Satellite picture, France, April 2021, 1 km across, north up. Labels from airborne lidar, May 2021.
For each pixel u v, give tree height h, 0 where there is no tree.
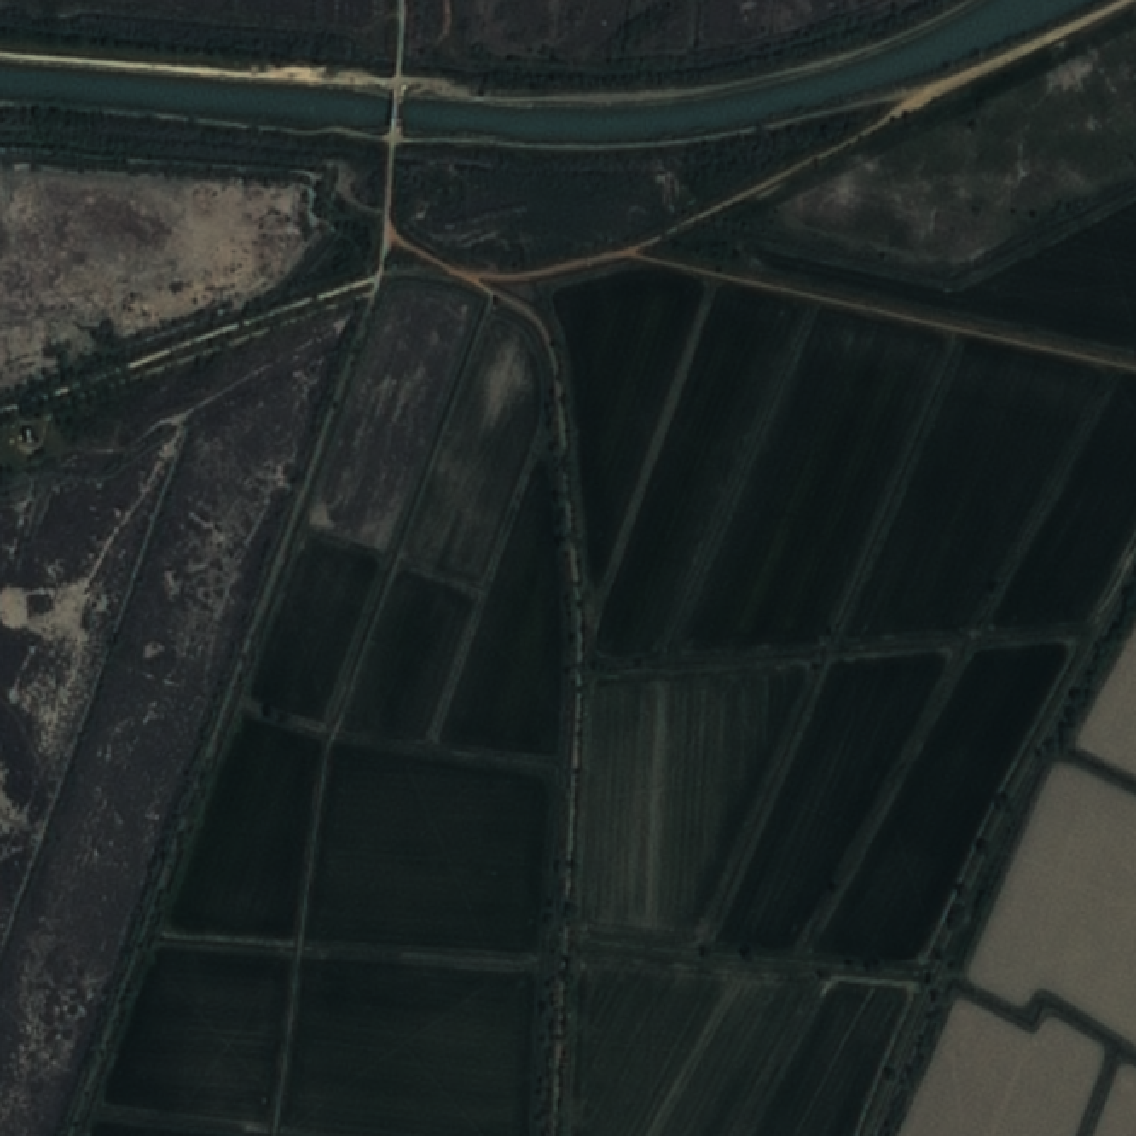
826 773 0
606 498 0
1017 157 0
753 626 0
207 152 7
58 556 0
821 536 0
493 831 0
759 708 0
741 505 0
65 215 0
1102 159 0
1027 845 0
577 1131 0
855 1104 0
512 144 0
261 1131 0
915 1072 12
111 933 0
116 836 0
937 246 0
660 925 0
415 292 0
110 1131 0
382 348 0
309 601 0
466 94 0
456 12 0
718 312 0
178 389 0
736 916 0
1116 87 0
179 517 0
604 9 0
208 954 0
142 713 0
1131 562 0
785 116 0
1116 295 0
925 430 0
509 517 0
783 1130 0
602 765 0
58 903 0
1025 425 0
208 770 6
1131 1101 0
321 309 7
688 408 0
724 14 0
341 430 0
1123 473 0
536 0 0
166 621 0
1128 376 0
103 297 0
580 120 0
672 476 0
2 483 8
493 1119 0
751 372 0
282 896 0
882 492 0
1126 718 0
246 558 0
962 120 0
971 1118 0
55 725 0
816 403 0
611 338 0
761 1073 0
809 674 0
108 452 0
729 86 0
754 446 0
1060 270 0
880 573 0
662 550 0
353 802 0
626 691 0
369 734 0
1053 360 0
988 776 0
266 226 0
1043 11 0
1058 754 9
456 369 0
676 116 0
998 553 0
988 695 0
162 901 7
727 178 7
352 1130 0
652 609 0
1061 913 0
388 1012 0
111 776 0
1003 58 0
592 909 0
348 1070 0
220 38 6
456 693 0
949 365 0
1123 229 0
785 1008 0
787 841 0
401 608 0
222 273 0
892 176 0
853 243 0
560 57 8
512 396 0
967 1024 0
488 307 0
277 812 0
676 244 10
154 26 6
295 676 0
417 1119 0
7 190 0
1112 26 0
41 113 7
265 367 0
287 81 0
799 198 0
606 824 0
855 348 0
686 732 0
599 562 0
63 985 0
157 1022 0
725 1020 0
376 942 0
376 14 0
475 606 0
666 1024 0
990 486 0
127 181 0
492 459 0
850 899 0
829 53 7
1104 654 8
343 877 0
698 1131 0
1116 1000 0
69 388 9
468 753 0
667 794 0
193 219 0
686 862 0
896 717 0
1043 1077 0
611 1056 0
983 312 0
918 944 0
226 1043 0
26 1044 0
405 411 0
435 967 0
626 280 0
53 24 7
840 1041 0
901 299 0
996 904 0
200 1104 0
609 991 0
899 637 0
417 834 0
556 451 11
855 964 9
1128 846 0
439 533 0
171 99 0
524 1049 0
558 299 0
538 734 0
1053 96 0
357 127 0
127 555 0
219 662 0
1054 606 0
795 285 0
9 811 0
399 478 0
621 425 0
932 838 0
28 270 0
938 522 0
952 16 0
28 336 0
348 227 8
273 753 0
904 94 0
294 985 0
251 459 0
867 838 0
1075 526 0
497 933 0
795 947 0
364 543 0
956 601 0
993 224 0
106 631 0
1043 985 0
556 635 0
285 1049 0
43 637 0
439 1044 0
